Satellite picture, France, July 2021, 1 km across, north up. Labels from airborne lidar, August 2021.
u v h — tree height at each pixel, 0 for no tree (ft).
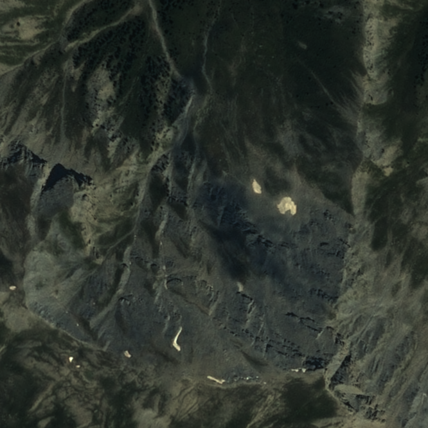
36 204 0
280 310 0
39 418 0
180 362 0
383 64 0
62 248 0
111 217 0
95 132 0
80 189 0
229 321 0
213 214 0
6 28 0
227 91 0
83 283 0
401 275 0
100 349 0
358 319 0
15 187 0
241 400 0
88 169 0
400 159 0
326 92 0
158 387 0
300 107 0
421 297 0
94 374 0
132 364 0
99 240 0
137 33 51
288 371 0
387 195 0
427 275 0
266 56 0
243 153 0
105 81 0
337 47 0
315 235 0
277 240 0
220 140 0
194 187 0
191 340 0
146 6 0
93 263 0
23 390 0
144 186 0
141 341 0
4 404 0
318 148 0
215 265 0
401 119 0
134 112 0
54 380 0
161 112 0
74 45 0
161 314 0
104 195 0
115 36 30
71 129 0
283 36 0
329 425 0
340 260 0
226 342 0
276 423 0
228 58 0
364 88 0
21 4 0
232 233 0
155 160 0
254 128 0
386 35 0
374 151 0
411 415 0
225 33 0
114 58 41
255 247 0
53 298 0
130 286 0
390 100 0
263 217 0
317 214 0
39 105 0
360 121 0
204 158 0
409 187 0
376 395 0
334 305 0
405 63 0
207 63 0
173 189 0
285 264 0
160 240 0
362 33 0
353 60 0
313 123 0
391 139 0
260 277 0
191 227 0
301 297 0
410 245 0
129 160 0
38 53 0
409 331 0
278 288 0
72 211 0
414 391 0
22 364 0
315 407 0
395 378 0
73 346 0
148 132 0
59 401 0
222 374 0
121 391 0
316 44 0
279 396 0
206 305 0
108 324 0
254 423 0
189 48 0
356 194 0
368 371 0
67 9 0
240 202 0
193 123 0
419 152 0
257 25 0
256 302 0
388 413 0
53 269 0
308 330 0
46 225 0
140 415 0
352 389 0
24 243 0
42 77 0
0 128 0
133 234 0
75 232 0
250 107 0
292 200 0
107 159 0
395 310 0
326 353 0
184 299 0
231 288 0
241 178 0
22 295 0
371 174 0
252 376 0
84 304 0
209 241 0
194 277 0
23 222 0
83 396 0
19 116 0
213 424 0
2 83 0
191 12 0
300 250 0
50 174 0
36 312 0
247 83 0
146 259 0
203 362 0
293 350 0
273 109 0
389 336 0
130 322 0
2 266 0
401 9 0
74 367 0
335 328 0
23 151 0
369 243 0
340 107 0
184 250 0
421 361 0
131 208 0
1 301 0
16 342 0
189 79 0
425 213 0
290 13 0
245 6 0
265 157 0
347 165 0
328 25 0
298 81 0
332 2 0
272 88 0
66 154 0
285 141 0
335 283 0
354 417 0
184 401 0
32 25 0
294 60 0
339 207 0
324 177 0
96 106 0
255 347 0
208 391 0
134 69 0
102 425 0
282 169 0
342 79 0
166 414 0
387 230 0
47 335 0
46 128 0
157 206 0
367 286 0
